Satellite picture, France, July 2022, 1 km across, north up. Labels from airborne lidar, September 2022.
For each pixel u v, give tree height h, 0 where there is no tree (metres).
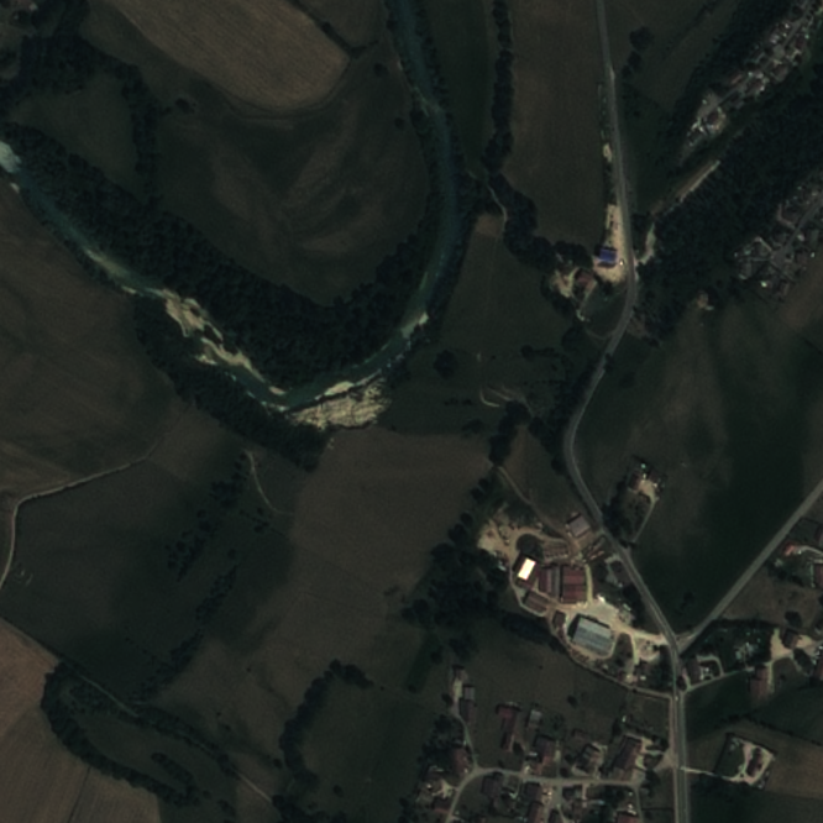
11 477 0
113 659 0
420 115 21
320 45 0
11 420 0
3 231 0
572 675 0
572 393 7
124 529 0
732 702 0
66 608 0
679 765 0
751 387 0
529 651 0
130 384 0
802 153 20
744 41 8
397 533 0
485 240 0
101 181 27
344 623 0
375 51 0
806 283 0
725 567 0
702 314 0
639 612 8
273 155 0
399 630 0
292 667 0
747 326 0
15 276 0
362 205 0
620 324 0
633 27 0
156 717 8
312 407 0
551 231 0
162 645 0
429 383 0
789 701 0
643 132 0
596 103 0
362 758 0
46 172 16
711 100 0
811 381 0
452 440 0
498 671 0
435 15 0
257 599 0
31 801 0
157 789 17
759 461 0
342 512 0
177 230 17
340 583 0
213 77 0
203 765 0
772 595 0
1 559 0
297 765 22
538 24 0
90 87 0
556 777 0
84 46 21
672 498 0
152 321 6
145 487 0
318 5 0
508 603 0
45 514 0
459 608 23
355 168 0
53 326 0
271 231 0
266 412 8
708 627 7
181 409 0
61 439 0
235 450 0
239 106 0
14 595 0
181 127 0
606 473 0
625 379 0
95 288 0
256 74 0
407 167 0
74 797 0
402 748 0
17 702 0
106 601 0
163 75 0
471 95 0
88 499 0
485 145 0
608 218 0
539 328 0
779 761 0
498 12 12
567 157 0
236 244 0
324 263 0
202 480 0
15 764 0
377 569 0
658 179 0
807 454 0
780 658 0
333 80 0
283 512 0
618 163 0
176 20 0
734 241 12
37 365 0
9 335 0
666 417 0
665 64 0
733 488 0
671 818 0
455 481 0
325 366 9
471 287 0
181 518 0
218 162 0
